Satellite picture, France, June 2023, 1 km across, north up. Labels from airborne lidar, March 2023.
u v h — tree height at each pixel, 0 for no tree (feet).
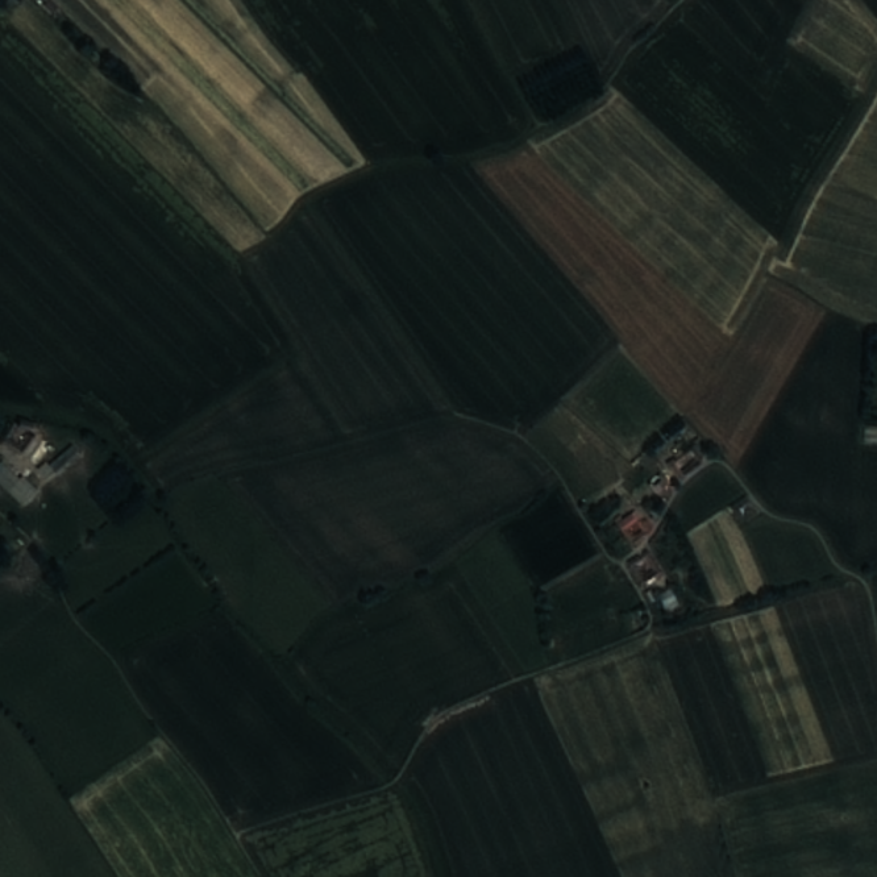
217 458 0
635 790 0
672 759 0
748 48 0
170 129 0
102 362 0
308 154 0
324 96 0
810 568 0
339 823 0
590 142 0
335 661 0
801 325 0
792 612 0
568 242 0
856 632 0
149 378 0
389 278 0
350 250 0
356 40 0
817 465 0
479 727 0
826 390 0
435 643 0
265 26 0
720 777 0
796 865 0
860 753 0
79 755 0
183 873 0
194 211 0
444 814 0
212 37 0
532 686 0
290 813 0
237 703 0
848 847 0
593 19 0
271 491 0
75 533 0
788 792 0
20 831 0
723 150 0
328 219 0
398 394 0
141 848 0
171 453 0
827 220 0
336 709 0
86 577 0
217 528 0
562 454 0
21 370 0
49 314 0
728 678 0
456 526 0
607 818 0
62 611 0
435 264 0
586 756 0
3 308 0
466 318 0
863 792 0
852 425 0
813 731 0
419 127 0
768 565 0
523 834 0
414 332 0
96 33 0
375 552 0
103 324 0
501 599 0
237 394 0
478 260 0
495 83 0
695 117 0
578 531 0
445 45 0
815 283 0
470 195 0
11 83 0
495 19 0
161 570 0
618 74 0
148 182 0
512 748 0
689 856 0
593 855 0
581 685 0
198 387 0
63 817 0
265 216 0
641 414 0
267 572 0
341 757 0
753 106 0
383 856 0
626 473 0
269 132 0
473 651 0
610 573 0
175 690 0
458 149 0
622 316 0
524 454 0
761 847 0
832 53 0
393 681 0
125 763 0
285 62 0
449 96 0
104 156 0
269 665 0
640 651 0
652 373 0
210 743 0
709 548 0
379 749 0
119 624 0
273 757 0
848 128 0
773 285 0
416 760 0
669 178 0
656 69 0
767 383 0
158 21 0
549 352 0
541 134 0
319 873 0
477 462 0
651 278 0
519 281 0
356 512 0
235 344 0
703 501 0
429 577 31
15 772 0
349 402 0
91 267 0
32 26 0
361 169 0
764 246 0
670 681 0
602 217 0
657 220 0
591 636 0
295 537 0
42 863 0
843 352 0
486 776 0
